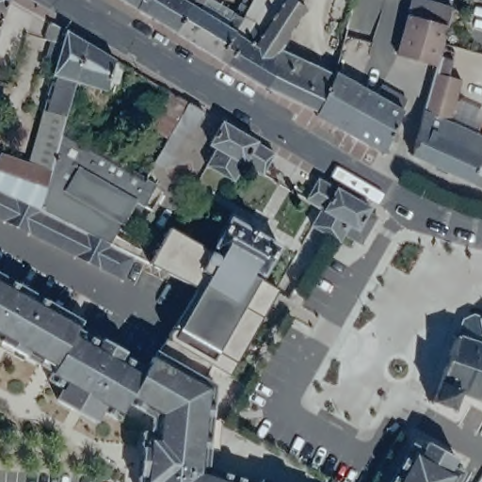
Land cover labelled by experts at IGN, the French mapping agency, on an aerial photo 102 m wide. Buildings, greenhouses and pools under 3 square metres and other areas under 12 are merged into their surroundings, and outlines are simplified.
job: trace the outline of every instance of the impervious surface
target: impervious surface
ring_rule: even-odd
[[[233,380],[228,395],[218,410],[220,420],[215,422],[215,459],[213,465],[205,469],[205,473],[217,478],[226,478],[230,473],[235,474],[233,482],[318,482],[313,478],[307,478],[301,471],[286,467],[279,458],[265,456],[265,444],[254,444],[235,429],[224,427],[222,420],[228,418],[233,405],[245,392],[243,386],[239,386]]]
[[[8,15],[0,28],[0,56],[6,56],[9,49],[15,47],[19,40],[26,43],[28,38],[43,38],[51,24],[58,24],[58,43],[64,43],[66,32],[72,30],[77,36],[100,47],[102,51],[111,49],[111,53],[117,55],[117,66],[109,85],[113,87],[115,94],[122,79],[122,66],[137,68],[158,79],[160,83],[168,85],[171,94],[175,98],[185,100],[186,104],[198,107],[205,115],[205,119],[181,139],[181,145],[175,154],[175,164],[179,168],[169,173],[168,169],[156,169],[154,166],[149,173],[154,177],[156,185],[151,194],[154,200],[149,201],[149,207],[145,211],[134,211],[122,226],[124,230],[132,220],[149,218],[153,222],[151,237],[143,249],[147,260],[154,260],[168,233],[171,230],[181,232],[185,230],[186,224],[177,217],[177,186],[181,185],[181,181],[186,177],[200,179],[205,168],[209,166],[209,158],[213,153],[211,145],[220,132],[220,124],[230,122],[243,132],[247,132],[260,145],[271,145],[275,166],[267,171],[269,177],[277,183],[277,188],[265,203],[264,213],[258,215],[254,211],[245,220],[258,232],[275,233],[275,243],[279,247],[286,247],[281,258],[273,260],[273,264],[267,269],[271,275],[267,277],[267,282],[277,290],[277,296],[262,324],[265,328],[271,328],[275,343],[282,343],[279,356],[273,358],[267,346],[254,345],[252,341],[247,350],[260,352],[262,358],[271,363],[271,369],[265,373],[264,382],[254,386],[254,394],[249,395],[247,409],[241,410],[241,416],[256,426],[260,437],[265,437],[269,433],[271,437],[281,439],[294,450],[301,450],[305,465],[322,469],[322,473],[328,476],[339,473],[343,482],[386,482],[397,461],[405,463],[405,459],[424,456],[427,442],[437,442],[442,448],[450,450],[450,458],[458,461],[454,463],[454,467],[461,469],[461,482],[482,482],[482,401],[463,395],[459,409],[450,409],[435,399],[441,395],[439,369],[448,367],[454,356],[454,328],[461,324],[463,316],[467,314],[482,314],[482,222],[478,218],[465,217],[452,209],[442,211],[427,201],[410,196],[403,190],[403,186],[399,185],[399,177],[405,171],[410,171],[448,192],[471,200],[482,200],[482,192],[474,190],[471,186],[448,183],[441,177],[429,173],[427,169],[412,164],[416,156],[414,151],[418,147],[418,134],[431,81],[435,75],[435,66],[426,66],[420,60],[405,58],[397,53],[405,32],[405,24],[409,19],[412,0],[363,0],[360,11],[350,9],[346,21],[350,40],[367,41],[369,58],[363,73],[369,73],[369,81],[363,85],[369,90],[375,90],[382,98],[394,102],[399,111],[399,117],[395,117],[395,124],[390,128],[390,136],[394,137],[394,141],[390,143],[390,149],[386,153],[375,153],[367,147],[352,143],[348,137],[352,132],[333,126],[328,120],[318,117],[311,105],[299,102],[281,90],[265,87],[264,83],[228,64],[224,56],[217,56],[217,60],[213,60],[209,56],[201,55],[196,49],[186,49],[181,45],[183,41],[171,32],[173,26],[137,8],[130,0],[8,0]],[[375,205],[377,222],[365,237],[365,241],[356,241],[352,247],[339,247],[335,252],[335,260],[329,267],[328,279],[320,282],[320,290],[314,294],[313,299],[301,297],[299,292],[296,292],[320,245],[331,235],[313,232],[307,228],[309,220],[318,213],[318,209],[311,207],[311,200],[307,198],[313,194],[318,179],[324,179],[326,183],[331,183],[335,179],[360,192],[361,196],[365,196]],[[282,201],[288,198],[288,194],[296,194],[301,203],[309,205],[309,218],[301,220],[296,235],[281,232],[277,222],[277,211]],[[392,264],[395,252],[407,241],[422,245],[422,252],[409,273],[397,269]]]
[[[474,40],[482,43],[482,0],[473,0],[476,23],[474,28],[471,28]]]
[[[58,429],[66,439],[66,446],[55,456],[60,461],[60,474],[64,476],[56,482],[83,482],[81,474],[72,473],[73,465],[92,463],[92,459],[98,458],[100,454],[109,465],[117,467],[120,473],[124,474],[126,482],[137,482],[136,476],[132,473],[136,465],[137,450],[130,446],[122,446],[122,442],[104,442],[100,435],[96,435],[96,426],[88,426],[85,420],[79,418],[79,414],[75,412],[77,409],[70,405],[68,416]]]
[[[168,343],[173,329],[177,326],[185,328],[186,320],[194,311],[200,297],[196,296],[194,284],[173,279],[166,269],[147,269],[137,264],[130,256],[124,262],[119,262],[105,256],[105,250],[111,247],[115,239],[115,235],[107,228],[94,235],[98,237],[98,243],[96,247],[90,247],[66,233],[45,226],[45,215],[41,215],[36,207],[0,192],[0,269],[11,273],[17,282],[30,284],[47,299],[62,301],[66,307],[75,309],[75,313],[85,316],[87,341],[92,341],[96,337],[111,339],[128,348],[128,352],[137,360],[137,371],[145,375],[149,375],[156,352],[164,343]]]
[[[0,388],[0,399],[4,399],[11,410],[8,420],[13,422],[15,437],[30,433],[32,422],[41,422],[41,433],[45,435],[51,435],[55,429],[53,424],[41,420],[43,410],[38,407],[40,401],[53,394],[53,388],[47,386],[47,377],[40,367],[40,361],[34,360],[19,346],[0,341],[0,361],[2,358],[9,358],[13,365],[17,361],[26,361],[32,365],[34,371],[34,377],[26,384],[23,394],[11,394],[8,390]]]
[[[458,94],[458,100],[471,107],[478,107],[478,119],[482,120],[482,45],[473,53],[458,47],[458,41],[452,41],[454,68],[461,77],[461,94]]]
[[[41,446],[32,448],[38,463],[38,469],[34,471],[26,471],[21,467],[21,463],[6,467],[0,463],[0,482],[47,482],[49,467],[43,461]]]

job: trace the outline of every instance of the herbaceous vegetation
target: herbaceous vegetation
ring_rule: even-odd
[[[34,377],[34,371],[32,365],[26,361],[17,361],[13,365],[9,358],[2,358],[0,361],[0,388],[8,390],[11,394],[23,394],[26,384]]]
[[[40,401],[38,407],[43,410],[41,420],[53,424],[55,429],[58,429],[68,416],[70,405],[53,394]]]
[[[452,11],[450,21],[442,24],[444,40],[452,41],[458,41],[458,36],[454,34],[454,23],[471,28],[474,28],[476,23],[473,0],[454,0],[456,9]]]
[[[296,235],[301,220],[309,218],[309,205],[301,203],[296,194],[288,194],[288,198],[282,201],[277,211],[277,222],[281,232]]]
[[[38,68],[38,62],[38,55],[45,45],[43,38],[28,38],[26,43],[28,53],[23,66],[19,68],[17,87],[0,87],[0,100],[8,94],[11,105],[15,107],[15,115],[23,126],[19,151],[6,149],[8,141],[0,137],[0,154],[9,154],[19,160],[30,160],[40,130],[41,117],[49,109],[49,100],[55,92],[55,77],[43,81],[43,77],[38,77],[38,85],[32,87],[30,79],[34,70]]]
[[[100,88],[81,81],[79,87],[85,87],[90,102],[105,107],[115,94],[113,87],[109,85],[107,88]]]
[[[181,232],[201,243],[207,252],[215,254],[218,237],[230,228],[232,217],[245,220],[254,211],[258,215],[264,213],[265,203],[277,188],[277,183],[269,177],[267,171],[256,173],[256,179],[250,181],[249,190],[241,190],[237,194],[239,198],[232,200],[226,196],[215,196],[213,205],[205,217],[186,224],[185,230]]]
[[[247,15],[254,0],[217,0],[222,6],[232,9],[235,15],[241,17]]]
[[[153,420],[147,414],[139,410],[128,410],[124,422],[120,422],[119,416],[111,412],[94,418],[87,412],[77,409],[75,412],[79,414],[79,418],[85,420],[88,426],[96,426],[96,435],[100,435],[104,442],[122,442],[122,446],[130,446],[137,450],[137,446],[141,444],[143,431],[153,426]]]
[[[218,186],[218,181],[222,179],[222,173],[218,169],[209,166],[205,168],[200,179],[201,185],[205,186]]]

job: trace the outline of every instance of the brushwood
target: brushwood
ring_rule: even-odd
[[[422,252],[422,245],[407,241],[395,252],[392,264],[397,269],[409,273]]]
[[[271,369],[271,363],[262,358],[260,352],[247,350],[243,352],[235,367],[233,380],[239,386],[243,386],[245,392],[233,405],[228,418],[222,420],[224,427],[235,429],[254,444],[265,444],[265,456],[279,458],[286,467],[301,471],[307,478],[313,478],[318,482],[343,482],[339,473],[328,476],[322,473],[322,469],[305,465],[301,450],[294,450],[281,439],[271,437],[269,433],[265,437],[260,437],[256,426],[241,416],[241,410],[247,409],[249,395],[254,394],[254,386],[264,382],[265,373]]]
[[[333,55],[341,58],[343,47],[346,41],[350,40],[346,21],[350,9],[360,11],[363,0],[345,0],[343,13],[337,19],[337,45]]]
[[[128,128],[132,128],[134,122],[139,120],[139,115],[143,113],[136,105],[139,96],[149,92],[151,85],[156,87],[160,83],[158,79],[137,68],[122,66],[122,79],[115,94],[105,107],[111,111],[107,120],[113,128],[117,128],[122,120],[126,120]]]

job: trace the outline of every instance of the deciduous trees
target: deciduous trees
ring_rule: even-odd
[[[478,218],[482,222],[482,200],[471,200],[448,192],[410,171],[405,171],[399,177],[399,185],[403,186],[403,190],[410,196],[427,201],[442,211],[452,209],[465,217]]]
[[[15,107],[11,105],[8,94],[0,100],[0,137],[8,141],[6,149],[19,151],[23,126],[15,115]]]
[[[38,62],[38,68],[34,70],[30,79],[32,87],[38,85],[38,77],[43,77],[43,81],[55,77],[55,70],[51,70],[49,60]]]
[[[73,111],[68,117],[64,137],[72,139],[77,151],[94,151],[100,154],[105,162],[111,162],[117,168],[124,166],[124,171],[134,175],[136,179],[139,173],[149,173],[154,166],[156,158],[153,158],[153,153],[160,141],[154,139],[151,122],[160,119],[166,113],[166,105],[171,94],[168,85],[160,83],[156,87],[151,85],[149,92],[139,96],[136,105],[143,113],[139,115],[139,120],[134,122],[132,128],[128,128],[126,120],[122,120],[117,128],[113,128],[107,120],[111,111],[105,107],[90,102],[85,87],[79,87],[73,90],[72,100],[68,105]]]
[[[15,47],[9,49],[6,56],[0,56],[0,87],[17,87],[19,68],[23,66],[28,53],[26,43],[19,40]]]
[[[328,279],[329,267],[335,260],[335,252],[339,247],[339,241],[331,235],[320,245],[296,292],[299,292],[301,297],[313,299],[314,294],[320,290],[320,282]]]
[[[126,482],[124,474],[120,473],[117,467],[109,465],[100,454],[98,458],[92,459],[92,463],[73,465],[72,473],[81,474],[83,482]]]
[[[262,324],[252,337],[252,341],[254,345],[267,346],[273,358],[279,356],[282,343],[275,343],[271,328],[265,328]]]
[[[200,179],[186,177],[181,181],[181,185],[177,186],[177,217],[186,224],[205,217],[213,205],[215,196],[226,196],[232,200],[239,198],[237,194],[241,190],[249,190],[250,181],[256,179],[256,173],[256,169],[249,169],[233,177],[233,181],[222,179],[218,181],[218,186],[205,186],[201,185]]]
[[[482,45],[482,43],[474,40],[471,28],[454,23],[454,34],[458,36],[458,41],[458,47],[473,53]]]
[[[153,222],[149,218],[132,220],[124,230],[126,235],[122,239],[143,249],[151,237]]]
[[[4,399],[0,399],[0,463],[6,467],[21,463],[21,467],[26,471],[34,471],[38,469],[38,463],[32,448],[41,446],[43,461],[49,467],[47,482],[56,482],[64,476],[60,474],[60,461],[55,456],[66,446],[66,439],[58,429],[55,429],[51,435],[45,435],[41,433],[41,422],[32,422],[30,433],[15,437],[13,422],[8,420],[11,410]]]

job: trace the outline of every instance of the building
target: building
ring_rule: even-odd
[[[459,409],[463,395],[482,401],[482,314],[467,314],[463,316],[461,324],[454,328],[454,356],[448,367],[439,369],[441,395],[435,399],[450,409]]]
[[[478,119],[478,107],[471,107],[458,100],[458,94],[461,94],[461,77],[454,68],[452,41],[444,40],[442,24],[450,21],[452,11],[456,9],[454,0],[412,0],[409,19],[405,24],[405,32],[397,53],[405,58],[420,60],[426,66],[435,66],[435,75],[431,81],[418,134],[418,147],[414,151],[416,156],[412,164],[427,169],[429,173],[441,177],[448,183],[471,186],[474,190],[482,192],[482,120]]]
[[[181,145],[181,139],[205,119],[205,115],[198,107],[186,104],[185,100],[175,98],[171,94],[166,105],[166,113],[160,119],[151,122],[154,139],[160,141],[153,153],[153,158],[156,158],[154,166],[156,169],[168,169],[169,173],[179,168],[175,164],[175,154]]]
[[[367,147],[375,153],[386,153],[390,149],[390,143],[394,141],[394,137],[390,136],[390,128],[395,124],[395,117],[399,117],[399,111],[394,102],[382,98],[375,90],[369,90],[363,85],[346,77],[345,73],[331,72],[328,68],[314,64],[311,60],[301,58],[286,49],[288,43],[294,41],[294,30],[299,26],[299,21],[307,13],[305,0],[254,0],[247,15],[241,17],[235,15],[232,9],[222,6],[217,0],[130,0],[137,8],[173,26],[171,32],[183,41],[181,45],[186,49],[196,49],[201,55],[209,56],[213,60],[217,60],[217,56],[224,56],[228,64],[264,83],[265,87],[281,90],[299,102],[311,105],[318,117],[328,120],[333,126],[352,132],[348,137],[352,143]]]
[[[267,269],[273,264],[273,260],[281,258],[286,247],[279,247],[275,243],[275,233],[258,232],[245,220],[232,217],[230,228],[218,237],[215,254],[207,252],[201,243],[181,232],[171,230],[168,233],[154,260],[147,260],[143,249],[122,239],[126,235],[124,230],[122,226],[134,211],[145,211],[149,207],[149,201],[154,200],[151,194],[156,185],[154,177],[149,173],[139,173],[136,179],[134,175],[124,171],[124,166],[117,168],[111,162],[105,162],[100,154],[94,151],[77,151],[72,139],[64,137],[68,117],[73,111],[68,105],[72,100],[73,90],[79,87],[81,81],[100,88],[107,88],[109,85],[117,66],[117,55],[111,53],[111,49],[102,51],[100,47],[77,36],[72,30],[66,32],[64,43],[58,43],[58,24],[51,24],[43,38],[45,45],[38,55],[38,62],[49,60],[51,70],[55,70],[55,77],[55,92],[49,100],[49,109],[41,117],[40,130],[30,160],[19,160],[9,154],[0,154],[0,192],[36,207],[41,215],[45,215],[45,226],[66,233],[90,247],[96,247],[98,243],[98,237],[94,235],[107,228],[115,235],[115,239],[111,247],[105,250],[105,256],[119,262],[124,262],[130,256],[137,264],[147,269],[166,269],[173,279],[194,284],[196,296],[200,297],[194,311],[186,320],[185,328],[177,326],[173,329],[168,343],[164,343],[156,352],[149,375],[145,375],[137,371],[137,360],[128,352],[128,348],[111,339],[96,337],[92,341],[87,341],[85,316],[75,313],[75,309],[66,307],[62,301],[47,299],[30,284],[17,282],[11,273],[0,269],[0,341],[19,346],[34,360],[40,361],[40,367],[47,377],[47,386],[53,388],[53,394],[70,405],[77,409],[87,412],[94,418],[111,412],[119,416],[120,422],[124,422],[128,410],[139,410],[147,414],[153,420],[153,426],[143,431],[141,444],[137,446],[137,450],[136,465],[132,473],[136,476],[137,482],[233,482],[235,474],[230,473],[226,478],[217,478],[205,473],[205,469],[213,465],[215,459],[215,422],[220,420],[218,410],[228,395],[233,380],[235,367],[243,352],[247,350],[252,341],[252,337],[262,324],[277,296],[277,290],[267,282],[267,277],[271,275]]]
[[[427,442],[424,456],[405,459],[405,463],[397,461],[386,482],[461,482],[461,469],[454,467],[454,463],[458,461],[450,458],[450,450],[442,448],[437,442]]]
[[[318,213],[309,220],[307,228],[313,232],[331,235],[339,241],[339,247],[352,247],[356,241],[365,241],[365,237],[377,222],[375,205],[365,196],[361,196],[360,192],[335,179],[331,183],[326,183],[324,179],[318,179],[313,194],[307,198],[311,200],[311,207],[318,209]]]
[[[220,132],[211,145],[213,153],[209,158],[209,166],[218,169],[222,173],[222,179],[233,181],[233,177],[249,169],[256,169],[256,173],[267,171],[275,166],[271,145],[260,145],[247,132],[243,132],[230,122],[220,124]]]
[[[8,0],[0,0],[0,28],[8,15]]]

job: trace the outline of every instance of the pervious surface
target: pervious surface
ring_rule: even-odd
[[[345,0],[305,0],[307,13],[299,21],[299,26],[294,30],[294,41],[288,43],[286,49],[301,58],[311,60],[314,64],[328,68],[331,72],[345,73],[346,77],[363,85],[369,81],[369,73],[363,73],[369,58],[367,41],[350,40],[346,41],[343,47],[341,58],[333,55],[337,45],[337,19],[343,13]]]

